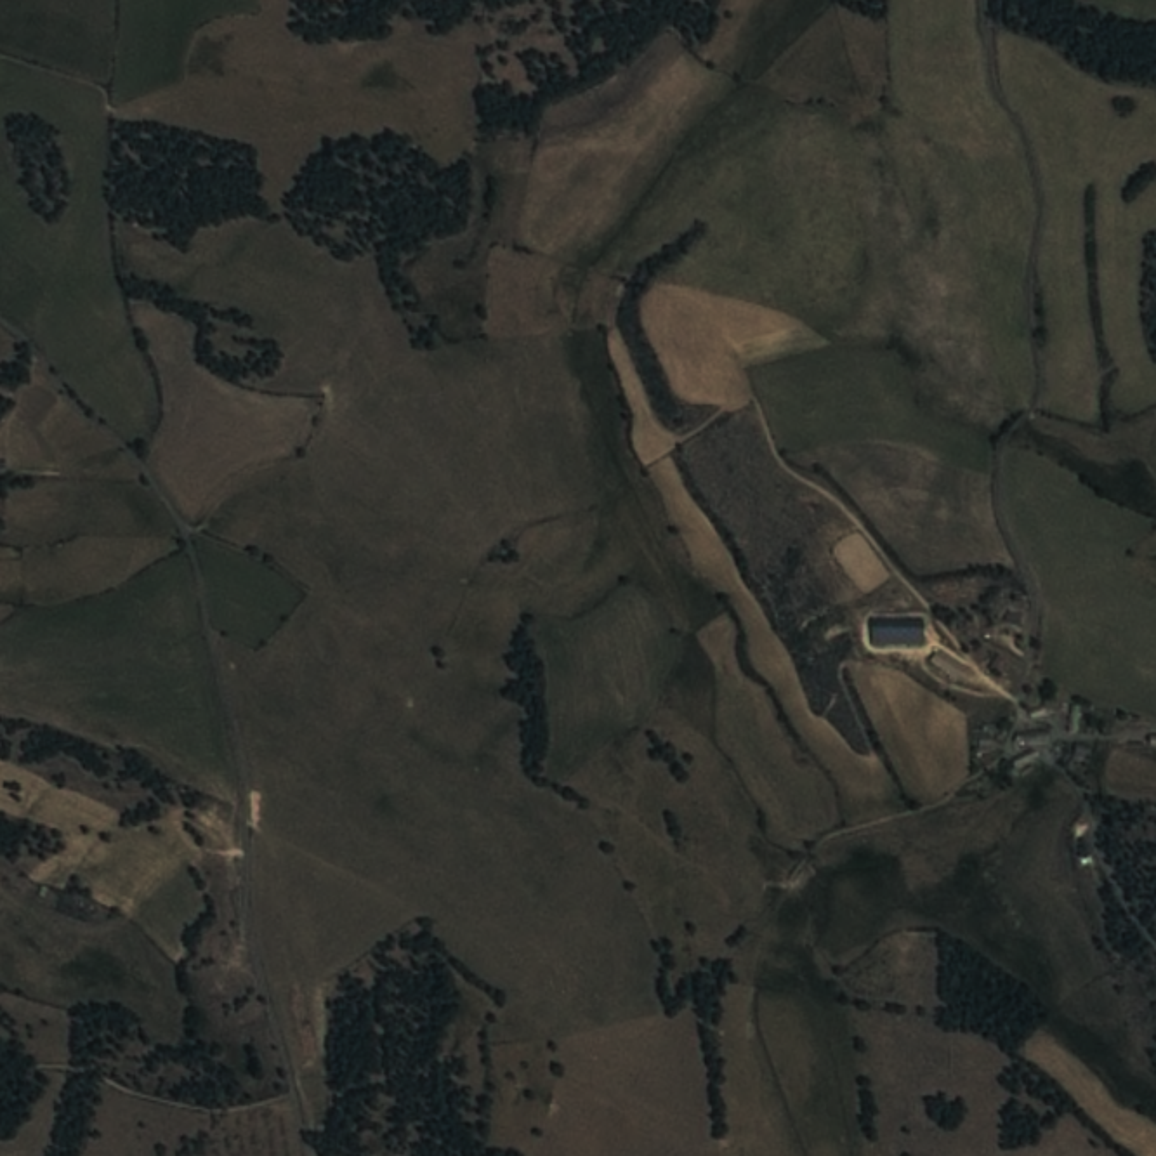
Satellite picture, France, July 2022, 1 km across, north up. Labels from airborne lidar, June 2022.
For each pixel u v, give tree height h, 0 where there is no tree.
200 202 18
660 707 0
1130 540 0
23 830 13
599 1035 0
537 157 0
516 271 0
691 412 0
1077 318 0
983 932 0
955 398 0
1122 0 0
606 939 0
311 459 0
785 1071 0
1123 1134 0
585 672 0
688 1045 0
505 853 0
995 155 0
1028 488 0
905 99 0
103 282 0
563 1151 0
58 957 0
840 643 0
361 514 0
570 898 0
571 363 0
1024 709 10
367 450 0
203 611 0
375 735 0
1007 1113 15
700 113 0
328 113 0
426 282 0
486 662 0
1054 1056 0
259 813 0
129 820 11
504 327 0
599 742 0
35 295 0
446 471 0
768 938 0
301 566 0
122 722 0
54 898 0
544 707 13
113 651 0
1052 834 0
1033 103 0
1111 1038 0
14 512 0
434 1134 18
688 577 0
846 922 0
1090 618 0
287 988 0
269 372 10
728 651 0
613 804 0
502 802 0
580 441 0
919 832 0
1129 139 0
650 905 0
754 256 0
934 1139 0
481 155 0
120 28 0
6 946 0
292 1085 0
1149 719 0
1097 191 0
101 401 0
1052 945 0
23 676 0
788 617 0
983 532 0
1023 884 0
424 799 0
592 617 0
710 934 0
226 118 0
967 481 0
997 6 11
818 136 0
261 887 0
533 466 0
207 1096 19
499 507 0
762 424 0
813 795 0
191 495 0
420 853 0
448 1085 17
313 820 0
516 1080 0
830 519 0
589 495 0
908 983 0
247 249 0
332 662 0
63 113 0
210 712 0
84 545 0
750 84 0
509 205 0
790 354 0
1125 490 0
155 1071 11
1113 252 0
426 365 0
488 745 0
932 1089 0
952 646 0
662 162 0
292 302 0
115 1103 0
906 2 0
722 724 0
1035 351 0
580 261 0
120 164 12
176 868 0
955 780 0
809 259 0
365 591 0
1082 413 0
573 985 0
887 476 0
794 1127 0
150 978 0
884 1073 0
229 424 0
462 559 0
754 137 0
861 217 0
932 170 0
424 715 0
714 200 0
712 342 0
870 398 0
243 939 0
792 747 0
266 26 0
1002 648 0
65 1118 11
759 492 0
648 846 0
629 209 0
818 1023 0
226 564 0
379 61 0
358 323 0
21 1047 9
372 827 0
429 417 0
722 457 0
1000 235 0
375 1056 20
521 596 0
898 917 0
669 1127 0
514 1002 0
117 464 0
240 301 0
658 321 0
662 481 0
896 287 0
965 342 0
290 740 0
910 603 0
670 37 0
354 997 11
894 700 0
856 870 0
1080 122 0
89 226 0
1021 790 0
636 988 0
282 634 0
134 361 0
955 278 0
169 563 0
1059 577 0
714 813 0
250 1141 0
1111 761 0
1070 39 13
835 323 0
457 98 0
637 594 0
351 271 0
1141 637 0
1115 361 0
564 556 0
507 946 0
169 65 0
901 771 0
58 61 0
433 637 0
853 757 0
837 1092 0
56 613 0
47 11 0
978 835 0
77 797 0
